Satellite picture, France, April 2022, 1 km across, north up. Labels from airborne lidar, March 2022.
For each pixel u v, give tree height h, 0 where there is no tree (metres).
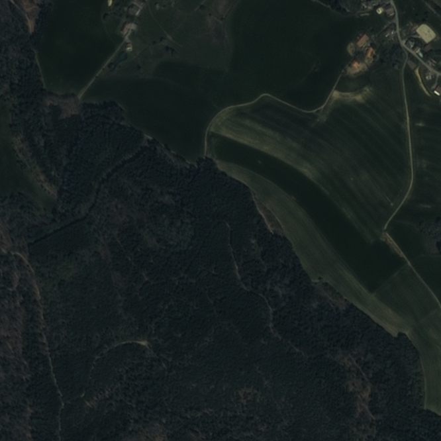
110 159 15
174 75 0
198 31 0
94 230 22
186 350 9
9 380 10
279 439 10
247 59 0
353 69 0
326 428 7
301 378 8
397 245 0
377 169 0
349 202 0
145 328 12
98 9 0
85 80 0
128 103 0
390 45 0
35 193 0
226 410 8
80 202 17
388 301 0
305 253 0
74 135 11
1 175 0
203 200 15
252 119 0
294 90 0
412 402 11
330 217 0
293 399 9
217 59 0
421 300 0
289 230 0
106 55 0
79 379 10
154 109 0
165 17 0
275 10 0
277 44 0
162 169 24
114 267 9
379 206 0
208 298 9
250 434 27
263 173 0
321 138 0
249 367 10
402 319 0
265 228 23
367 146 0
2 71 8
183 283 12
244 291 18
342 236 0
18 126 16
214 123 0
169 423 23
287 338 12
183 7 0
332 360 8
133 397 8
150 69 0
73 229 17
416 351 17
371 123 0
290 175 0
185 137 0
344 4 18
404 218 0
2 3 23
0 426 16
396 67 15
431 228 12
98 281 8
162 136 0
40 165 17
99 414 12
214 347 9
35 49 23
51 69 0
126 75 0
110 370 11
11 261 18
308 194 0
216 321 10
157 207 27
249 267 21
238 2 0
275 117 0
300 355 11
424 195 0
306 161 0
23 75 32
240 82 0
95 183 16
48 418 9
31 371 19
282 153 0
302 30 0
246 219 15
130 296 13
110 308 13
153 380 9
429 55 10
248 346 8
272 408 10
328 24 0
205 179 15
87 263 13
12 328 19
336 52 0
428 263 0
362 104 0
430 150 0
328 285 10
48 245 17
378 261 0
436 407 0
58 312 8
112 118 27
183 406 9
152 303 11
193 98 0
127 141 19
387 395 21
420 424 19
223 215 14
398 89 0
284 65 0
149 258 12
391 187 0
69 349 11
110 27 0
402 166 0
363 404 17
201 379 7
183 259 17
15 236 20
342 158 0
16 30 20
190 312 12
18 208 13
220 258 14
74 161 22
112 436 13
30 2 30
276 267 16
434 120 0
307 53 0
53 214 0
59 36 0
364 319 24
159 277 11
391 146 0
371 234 0
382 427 17
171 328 11
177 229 11
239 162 0
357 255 0
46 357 8
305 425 8
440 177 0
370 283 0
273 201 0
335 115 0
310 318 27
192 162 0
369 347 19
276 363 10
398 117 0
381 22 0
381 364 26
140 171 25
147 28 0
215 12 0
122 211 10
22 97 20
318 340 20
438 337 0
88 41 0
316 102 0
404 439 22
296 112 0
